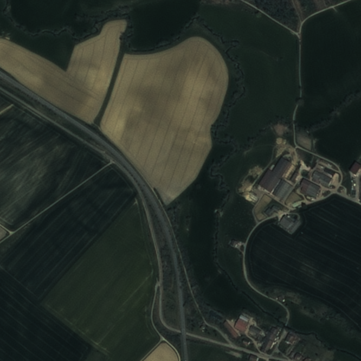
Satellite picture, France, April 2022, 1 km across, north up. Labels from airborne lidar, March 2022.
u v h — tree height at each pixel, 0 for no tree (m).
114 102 0
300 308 0
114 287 0
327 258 0
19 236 0
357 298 0
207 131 0
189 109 0
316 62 0
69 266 0
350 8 0
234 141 15
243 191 0
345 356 0
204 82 0
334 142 0
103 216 0
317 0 0
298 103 20
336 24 0
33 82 0
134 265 0
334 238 0
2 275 0
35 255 0
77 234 0
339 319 12
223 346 0
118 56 0
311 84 0
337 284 0
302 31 0
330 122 18
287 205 0
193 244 0
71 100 0
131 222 0
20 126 0
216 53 0
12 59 0
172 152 0
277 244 0
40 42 0
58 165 0
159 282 0
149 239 0
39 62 0
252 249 0
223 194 0
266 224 0
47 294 0
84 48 0
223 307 0
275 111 0
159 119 0
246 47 0
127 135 0
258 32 0
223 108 0
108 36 0
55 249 0
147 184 0
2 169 0
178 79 0
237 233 0
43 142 0
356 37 0
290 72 0
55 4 0
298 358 0
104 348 0
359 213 0
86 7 0
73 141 0
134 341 0
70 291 0
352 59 0
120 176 0
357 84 0
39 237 0
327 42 0
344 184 0
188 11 0
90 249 0
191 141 0
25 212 0
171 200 0
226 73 0
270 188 0
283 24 11
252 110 0
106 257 0
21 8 0
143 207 0
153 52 0
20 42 0
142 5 0
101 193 0
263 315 0
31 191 0
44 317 0
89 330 0
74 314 0
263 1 22
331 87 0
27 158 0
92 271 0
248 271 0
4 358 0
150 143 0
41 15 0
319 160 0
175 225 15
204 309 16
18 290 0
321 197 0
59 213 0
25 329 0
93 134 0
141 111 0
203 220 0
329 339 0
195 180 0
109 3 0
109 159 0
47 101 0
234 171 0
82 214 0
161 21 0
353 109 0
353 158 0
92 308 0
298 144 0
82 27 0
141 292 0
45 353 0
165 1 0
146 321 0
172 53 0
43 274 0
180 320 0
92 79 0
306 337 0
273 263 0
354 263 0
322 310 0
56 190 0
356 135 0
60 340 0
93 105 0
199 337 0
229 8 0
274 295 7
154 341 0
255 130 0
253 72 0
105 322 0
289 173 0
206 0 0
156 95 0
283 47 0
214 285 0
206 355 0
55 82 0
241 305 0
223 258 0
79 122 0
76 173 0
